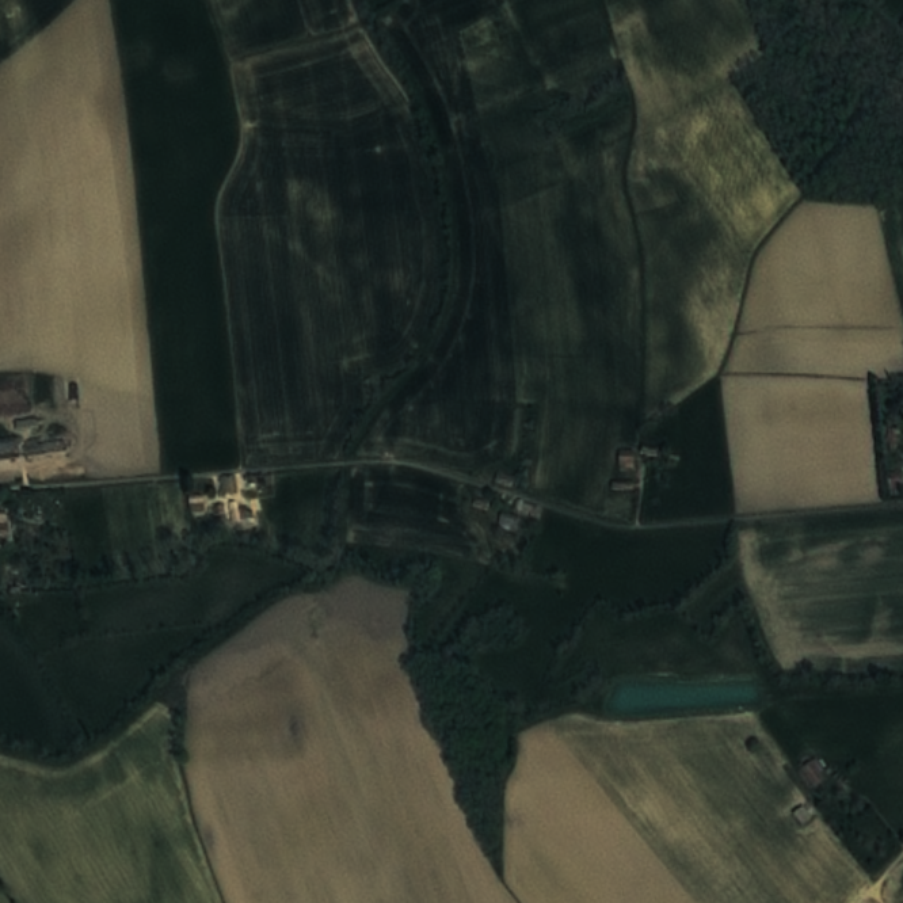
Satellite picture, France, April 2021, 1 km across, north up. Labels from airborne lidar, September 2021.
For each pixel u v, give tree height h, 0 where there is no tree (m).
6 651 0
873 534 0
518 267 0
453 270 10
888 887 0
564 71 0
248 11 0
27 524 10
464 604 11
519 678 0
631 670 0
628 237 0
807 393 0
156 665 0
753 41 0
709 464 0
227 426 0
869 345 0
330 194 0
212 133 0
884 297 0
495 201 0
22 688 0
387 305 0
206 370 0
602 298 0
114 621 0
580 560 0
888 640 0
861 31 18
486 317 0
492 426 0
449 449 0
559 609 0
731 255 0
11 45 0
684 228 0
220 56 0
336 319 0
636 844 0
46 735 0
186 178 0
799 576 0
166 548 24
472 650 13
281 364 0
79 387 0
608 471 0
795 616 0
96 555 0
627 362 0
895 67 13
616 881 0
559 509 0
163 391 0
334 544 27
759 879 0
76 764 0
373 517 0
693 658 0
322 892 0
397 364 0
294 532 0
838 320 0
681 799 0
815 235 0
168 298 0
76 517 0
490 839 24
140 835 0
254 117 0
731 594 0
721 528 0
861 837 12
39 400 0
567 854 0
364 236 0
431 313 0
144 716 0
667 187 0
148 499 0
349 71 0
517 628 11
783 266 0
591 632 0
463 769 21
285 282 0
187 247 0
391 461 0
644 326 0
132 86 0
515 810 0
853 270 0
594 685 13
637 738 0
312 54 0
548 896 0
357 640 0
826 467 0
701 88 0
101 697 0
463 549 0
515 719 15
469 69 0
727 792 0
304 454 0
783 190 0
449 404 0
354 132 0
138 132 0
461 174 0
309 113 0
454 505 0
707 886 0
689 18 0
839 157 21
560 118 6
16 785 0
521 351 0
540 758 0
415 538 0
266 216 0
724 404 0
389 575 16
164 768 0
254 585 0
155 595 0
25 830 0
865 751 0
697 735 0
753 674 0
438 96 0
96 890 0
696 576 0
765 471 0
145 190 0
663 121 0
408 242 0
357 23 0
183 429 0
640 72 0
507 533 12
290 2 0
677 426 0
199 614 0
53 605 0
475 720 24
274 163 0
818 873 0
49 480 0
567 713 0
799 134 18
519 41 0
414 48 0
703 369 0
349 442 7
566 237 0
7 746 10
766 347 0
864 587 0
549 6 0
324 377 0
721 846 0
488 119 0
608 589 0
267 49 0
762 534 0
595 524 0
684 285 0
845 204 13
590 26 0
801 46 21
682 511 0
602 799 0
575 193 0
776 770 0
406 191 0
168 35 0
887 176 23
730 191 0
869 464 0
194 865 0
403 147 0
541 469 0
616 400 0
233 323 0
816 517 0
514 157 0
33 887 0
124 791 0
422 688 26
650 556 0
